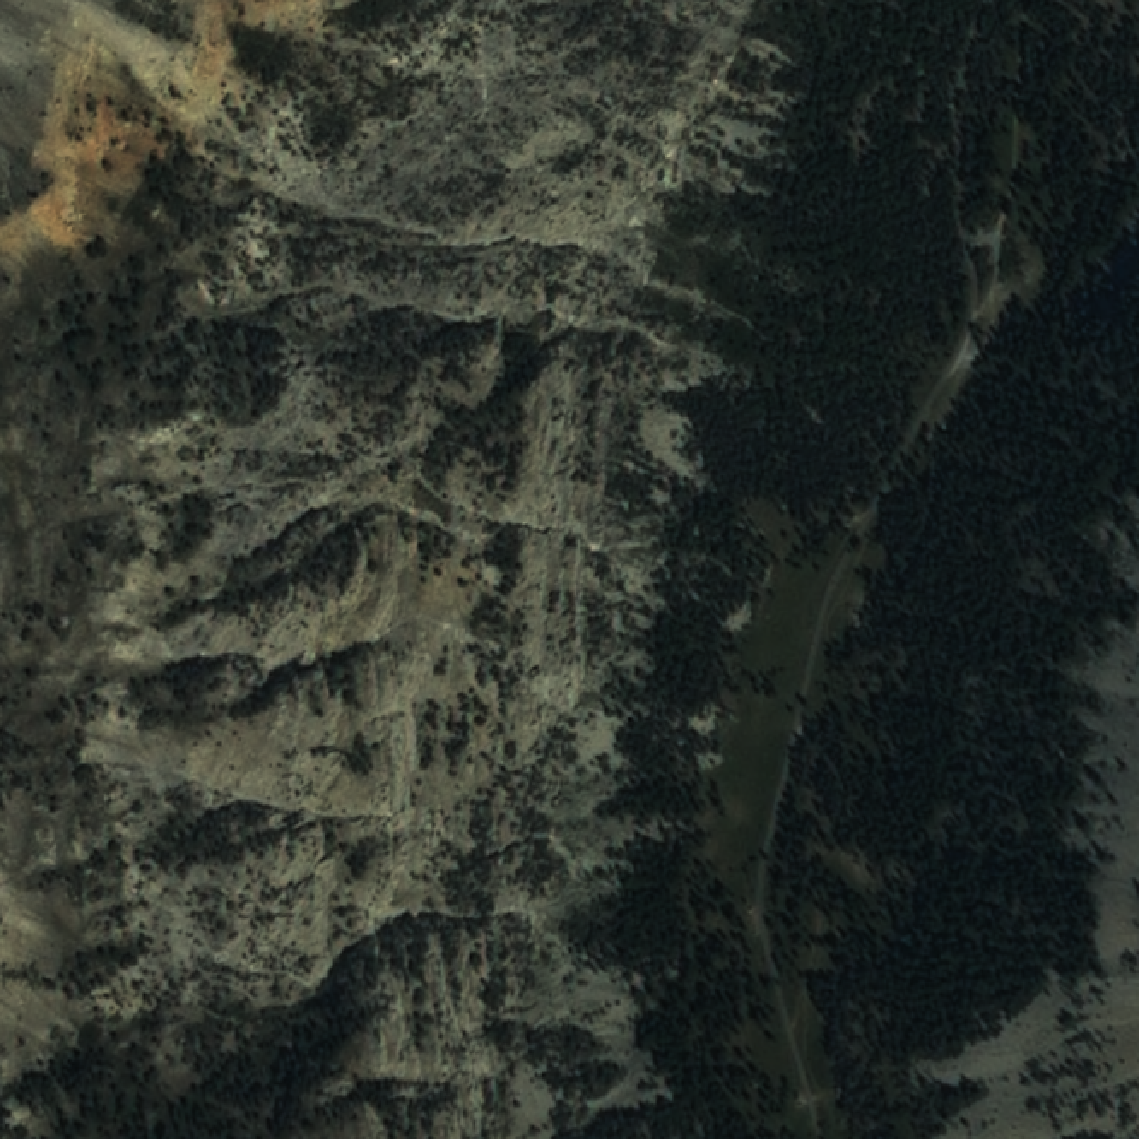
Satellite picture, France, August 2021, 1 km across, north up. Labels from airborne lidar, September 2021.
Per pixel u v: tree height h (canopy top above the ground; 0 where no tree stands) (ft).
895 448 44
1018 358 61
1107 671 0
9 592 0
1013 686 24
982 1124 0
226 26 0
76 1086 28
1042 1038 0
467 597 0
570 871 0
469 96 0
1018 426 31
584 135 0
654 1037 72
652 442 0
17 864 0
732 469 45
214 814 34
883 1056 44
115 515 0
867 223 55
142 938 26
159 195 42
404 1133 30
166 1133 43
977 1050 0
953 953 60
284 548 36
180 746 0
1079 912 34
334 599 27
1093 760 0
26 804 0
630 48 24
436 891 0
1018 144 0
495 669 30
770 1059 0
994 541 55
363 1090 54
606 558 21
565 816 0
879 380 40
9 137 0
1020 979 50
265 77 25
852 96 32
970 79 43
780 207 37
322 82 33
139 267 41
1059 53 67
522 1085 0
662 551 22
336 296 0
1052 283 46
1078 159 61
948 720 47
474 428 23
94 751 0
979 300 0
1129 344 23
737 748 0
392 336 21
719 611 30
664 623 66
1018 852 68
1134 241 45
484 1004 29
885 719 55
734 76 25
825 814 32
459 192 22
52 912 0
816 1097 0
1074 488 60
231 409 24
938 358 39
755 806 0
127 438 0
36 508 0
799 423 35
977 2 34
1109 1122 0
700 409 37
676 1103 27
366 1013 22
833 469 44
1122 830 0
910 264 45
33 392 0
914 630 33
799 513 40
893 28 35
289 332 0
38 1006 0
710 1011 56
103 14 0
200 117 0
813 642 0
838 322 47
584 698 0
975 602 40
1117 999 0
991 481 63
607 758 37
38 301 0
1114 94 27
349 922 22
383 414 21
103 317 0
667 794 71
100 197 0
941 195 68
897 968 65
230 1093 29
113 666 0
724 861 0
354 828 0
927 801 44
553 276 18
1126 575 0
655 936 49
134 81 0
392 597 70
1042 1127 0
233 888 0
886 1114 35
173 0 0
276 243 27
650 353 27
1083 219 60
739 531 44
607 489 28
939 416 0
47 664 0
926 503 66
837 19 56
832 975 22
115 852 31
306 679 45
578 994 0
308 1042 23
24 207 0
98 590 0
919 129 52
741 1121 73
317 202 0
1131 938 0
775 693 24
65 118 0
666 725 40
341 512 21
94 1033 0
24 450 0
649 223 0
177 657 0
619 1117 50
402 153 0
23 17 0
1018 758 25
